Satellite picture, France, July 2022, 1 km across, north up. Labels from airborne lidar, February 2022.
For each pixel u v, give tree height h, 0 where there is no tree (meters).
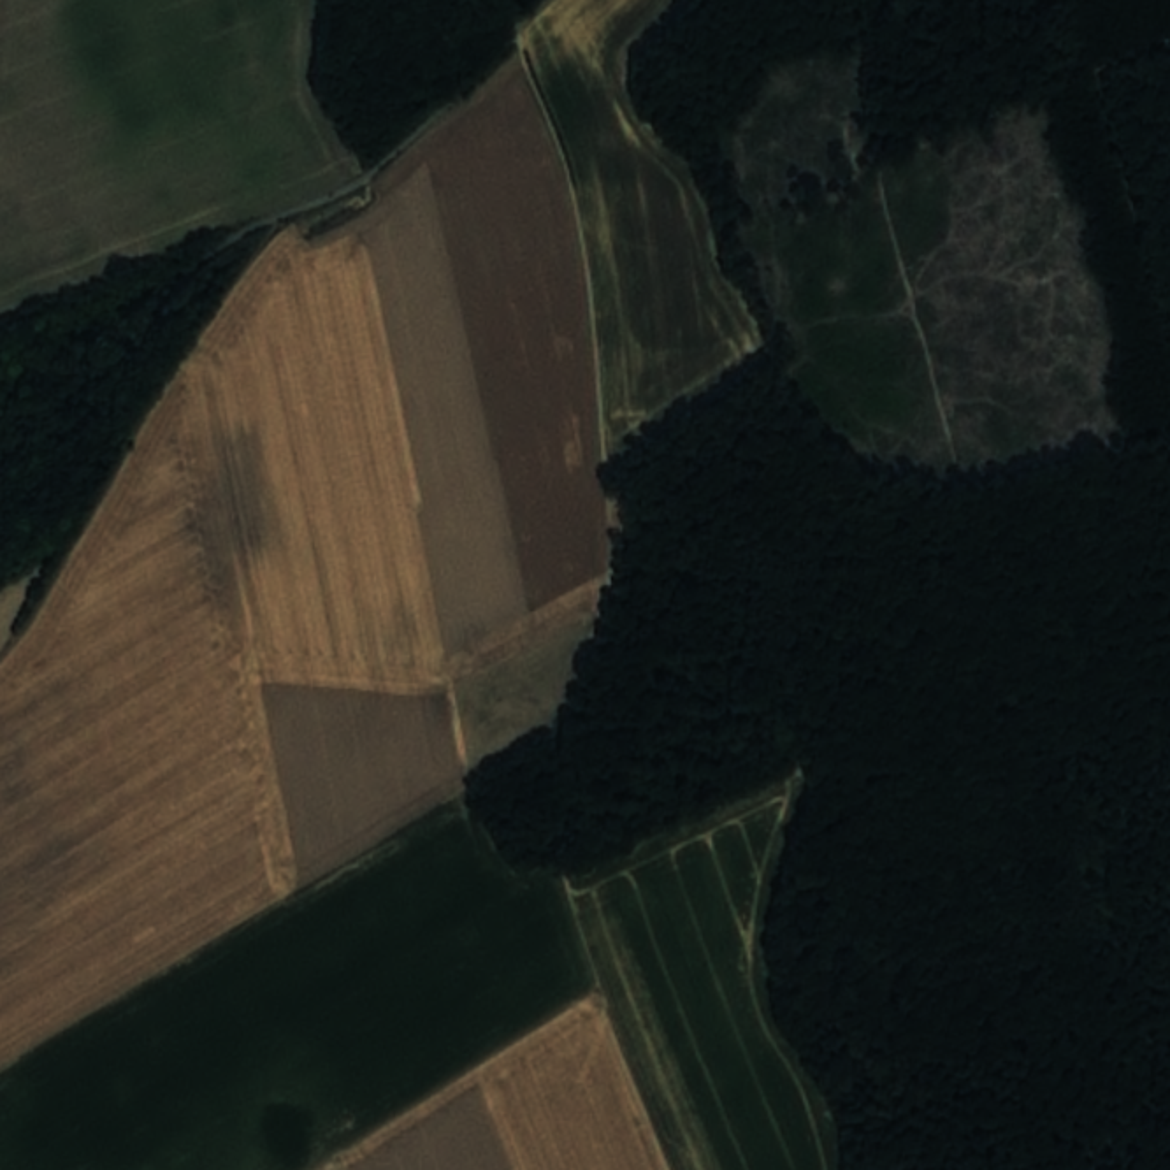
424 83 25
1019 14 17
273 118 0
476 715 0
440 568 0
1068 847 21
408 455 0
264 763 0
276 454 0
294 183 0
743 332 0
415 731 0
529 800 25
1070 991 22
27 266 0
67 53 0
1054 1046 23
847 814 17
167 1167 0
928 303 0
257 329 0
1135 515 21
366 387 0
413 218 0
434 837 0
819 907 17
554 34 0
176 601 0
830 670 15
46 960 0
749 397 23
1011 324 8
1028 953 22
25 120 0
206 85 0
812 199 27
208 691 0
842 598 23
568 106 0
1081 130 9
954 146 19
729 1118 0
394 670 0
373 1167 0
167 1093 0
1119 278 11
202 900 0
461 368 0
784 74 0
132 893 0
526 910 0
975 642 24
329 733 0
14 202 0
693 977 0
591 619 0
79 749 0
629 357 0
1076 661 22
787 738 19
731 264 19
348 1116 0
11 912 0
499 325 0
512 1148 0
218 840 0
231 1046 0
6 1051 0
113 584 0
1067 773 25
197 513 0
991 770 26
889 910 25
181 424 0
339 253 0
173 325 22
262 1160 0
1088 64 12
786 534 21
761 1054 0
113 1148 0
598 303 0
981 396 0
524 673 0
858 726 23
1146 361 10
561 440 0
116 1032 0
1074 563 25
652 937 0
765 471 23
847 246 0
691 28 21
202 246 12
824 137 0
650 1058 0
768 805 0
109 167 0
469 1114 0
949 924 24
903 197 0
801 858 20
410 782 0
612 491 20
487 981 0
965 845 25
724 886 0
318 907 0
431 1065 0
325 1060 0
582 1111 0
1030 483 23
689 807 21
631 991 0
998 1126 20
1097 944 21
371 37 24
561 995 0
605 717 18
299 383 0
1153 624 20
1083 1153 25
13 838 0
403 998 0
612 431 0
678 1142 0
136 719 0
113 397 20
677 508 25
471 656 0
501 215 0
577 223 0
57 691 0
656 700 25
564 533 0
